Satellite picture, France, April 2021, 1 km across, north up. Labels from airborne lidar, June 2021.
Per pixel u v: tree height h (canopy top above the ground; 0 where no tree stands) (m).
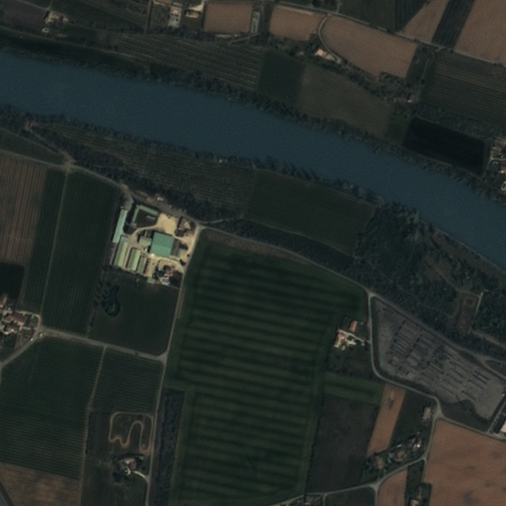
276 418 0
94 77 0
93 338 0
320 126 11
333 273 0
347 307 0
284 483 0
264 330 0
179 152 16
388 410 0
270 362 0
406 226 14
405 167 0
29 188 0
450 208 0
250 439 0
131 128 0
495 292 8
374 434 0
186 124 0
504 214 0
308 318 0
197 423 0
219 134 0
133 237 0
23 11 0
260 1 0
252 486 0
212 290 0
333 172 0
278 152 0
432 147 0
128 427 0
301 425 0
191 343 0
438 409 0
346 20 0
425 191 0
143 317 0
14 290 0
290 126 0
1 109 19
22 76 0
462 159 0
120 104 0
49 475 0
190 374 0
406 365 0
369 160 0
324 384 0
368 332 0
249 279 0
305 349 0
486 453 0
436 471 0
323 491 0
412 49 0
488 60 0
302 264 0
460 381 0
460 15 7
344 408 0
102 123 0
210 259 0
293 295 0
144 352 0
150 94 0
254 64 7
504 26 0
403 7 8
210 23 0
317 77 0
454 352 0
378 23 0
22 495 0
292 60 0
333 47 0
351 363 0
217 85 20
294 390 0
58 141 16
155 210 12
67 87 0
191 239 0
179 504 0
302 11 0
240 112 0
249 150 0
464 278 16
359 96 0
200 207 11
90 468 0
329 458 0
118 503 0
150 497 0
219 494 0
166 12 9
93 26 7
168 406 10
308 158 0
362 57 0
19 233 0
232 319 0
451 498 0
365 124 0
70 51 0
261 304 0
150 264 0
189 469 0
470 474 0
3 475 0
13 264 0
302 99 0
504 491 0
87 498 0
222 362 0
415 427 0
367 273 13
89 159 12
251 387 0
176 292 0
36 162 0
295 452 0
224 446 0
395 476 0
